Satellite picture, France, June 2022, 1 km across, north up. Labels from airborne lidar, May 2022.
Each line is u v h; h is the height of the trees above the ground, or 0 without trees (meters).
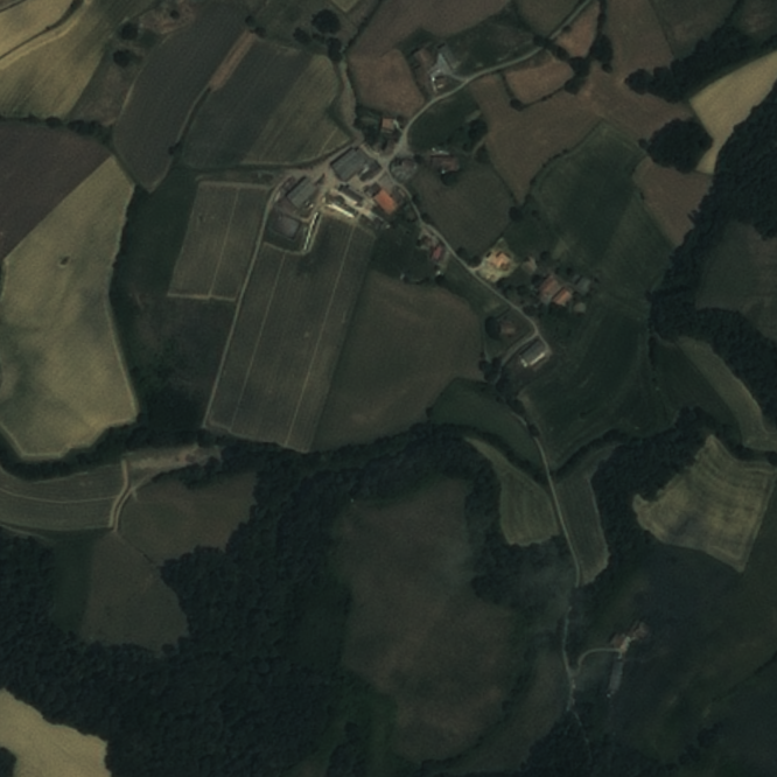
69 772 0
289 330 0
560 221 0
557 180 0
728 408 0
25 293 0
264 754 21
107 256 0
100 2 0
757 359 23
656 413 0
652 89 15
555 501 0
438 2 0
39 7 0
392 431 0
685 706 0
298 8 0
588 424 0
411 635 0
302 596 7
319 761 0
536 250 0
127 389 0
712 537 0
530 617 7
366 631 0
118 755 15
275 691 31
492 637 0
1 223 0
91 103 0
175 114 0
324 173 0
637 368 0
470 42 0
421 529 0
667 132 16
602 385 0
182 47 0
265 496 17
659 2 0
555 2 0
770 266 0
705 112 0
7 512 0
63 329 0
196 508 0
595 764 15
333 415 0
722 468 0
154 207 0
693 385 0
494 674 0
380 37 0
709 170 0
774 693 0
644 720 0
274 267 0
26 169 0
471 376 0
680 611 0
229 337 0
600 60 15
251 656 26
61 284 0
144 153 0
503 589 25
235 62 0
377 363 0
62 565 0
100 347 0
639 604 0
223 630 20
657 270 0
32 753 0
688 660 0
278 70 0
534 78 0
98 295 0
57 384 0
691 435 16
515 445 0
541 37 8
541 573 27
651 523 0
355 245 0
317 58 0
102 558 0
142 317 0
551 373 0
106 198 0
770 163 14
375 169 0
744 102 0
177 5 0
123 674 21
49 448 0
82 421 0
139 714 22
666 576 0
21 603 10
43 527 0
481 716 0
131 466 0
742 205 18
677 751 0
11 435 0
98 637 0
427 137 0
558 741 22
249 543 23
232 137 0
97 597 0
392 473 31
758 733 0
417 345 0
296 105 0
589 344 0
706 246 20
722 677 0
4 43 0
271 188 0
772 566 0
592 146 0
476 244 0
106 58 0
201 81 0
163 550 0
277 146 0
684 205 0
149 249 0
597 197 0
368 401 0
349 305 0
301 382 0
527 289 12
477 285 0
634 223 0
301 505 31
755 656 0
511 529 0
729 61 12
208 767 18
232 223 0
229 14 0
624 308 0
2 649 13
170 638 0
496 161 0
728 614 0
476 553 11
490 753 0
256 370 0
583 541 0
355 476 11
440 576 0
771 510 0
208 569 15
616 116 0
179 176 0
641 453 26
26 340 0
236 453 25
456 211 0
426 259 0
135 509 0
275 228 0
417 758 0
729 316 17
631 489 17
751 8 0
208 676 28
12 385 0
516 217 16
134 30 13
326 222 0
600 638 0
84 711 20
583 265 0
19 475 9
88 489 0
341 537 0
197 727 26
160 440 18
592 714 12
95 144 0
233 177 0
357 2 0
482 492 27
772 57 0
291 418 0
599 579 8
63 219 0
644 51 0
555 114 0
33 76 0
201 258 0
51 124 14
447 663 0
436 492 0
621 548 15
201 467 15
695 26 0
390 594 0
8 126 0
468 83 0
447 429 14
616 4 0
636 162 0
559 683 0
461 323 0
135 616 0
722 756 0
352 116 0
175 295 0
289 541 29
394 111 0
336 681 8
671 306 25
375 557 0
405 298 0
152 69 0
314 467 12
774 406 20
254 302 0
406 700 0
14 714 0
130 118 0
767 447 0
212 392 0
